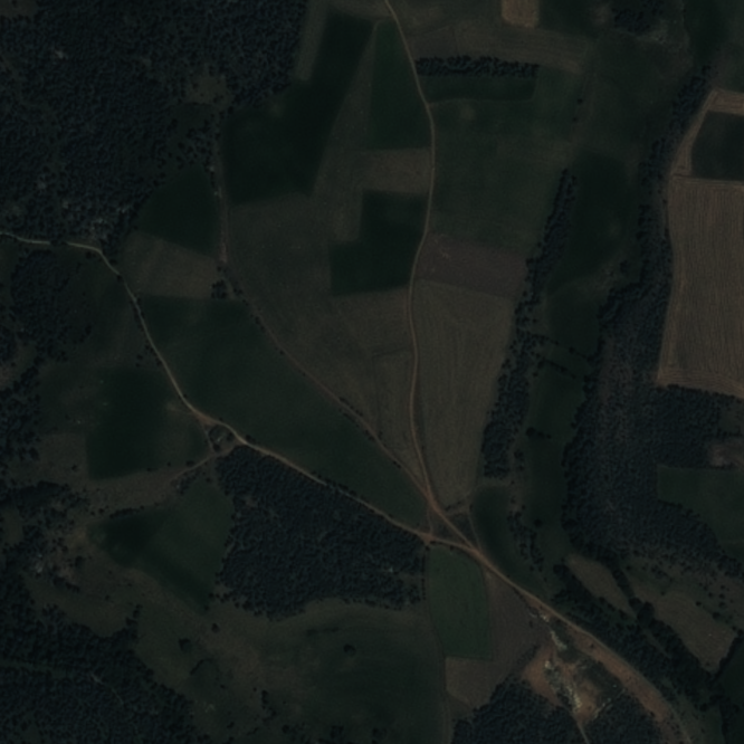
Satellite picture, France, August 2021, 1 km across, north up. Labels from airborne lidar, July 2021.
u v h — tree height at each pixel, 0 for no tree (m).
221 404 0
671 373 0
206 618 0
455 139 0
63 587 14
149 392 0
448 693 0
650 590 0
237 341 0
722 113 0
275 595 13
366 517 7
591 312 0
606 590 0
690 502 0
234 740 7
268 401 0
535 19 0
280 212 0
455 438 0
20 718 12
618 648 7
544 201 0
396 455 0
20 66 0
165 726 8
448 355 0
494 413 9
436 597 0
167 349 0
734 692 0
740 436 6
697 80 7
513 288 0
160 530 0
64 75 11
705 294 0
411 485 0
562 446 0
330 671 0
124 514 10
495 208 0
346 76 0
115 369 0
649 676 6
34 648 7
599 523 13
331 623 0
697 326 0
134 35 9
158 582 0
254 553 11
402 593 12
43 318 18
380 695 0
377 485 0
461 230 0
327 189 0
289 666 0
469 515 0
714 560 9
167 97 15
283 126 0
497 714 13
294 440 0
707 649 0
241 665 0
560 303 0
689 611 0
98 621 0
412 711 0
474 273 0
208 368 0
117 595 0
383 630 0
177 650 0
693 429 14
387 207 0
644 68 0
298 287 0
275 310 0
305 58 0
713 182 0
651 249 7
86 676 9
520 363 10
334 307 0
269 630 0
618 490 8
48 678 12
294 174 0
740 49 0
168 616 0
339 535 14
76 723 17
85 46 17
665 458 10
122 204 12
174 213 0
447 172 0
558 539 0
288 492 12
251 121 0
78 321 0
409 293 0
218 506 0
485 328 0
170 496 0
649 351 6
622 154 0
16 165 14
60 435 0
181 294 0
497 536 0
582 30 0
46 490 15
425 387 0
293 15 14
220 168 0
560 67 0
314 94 0
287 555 12
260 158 0
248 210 0
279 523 7
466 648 0
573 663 0
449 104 0
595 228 0
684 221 0
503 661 0
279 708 0
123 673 22
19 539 0
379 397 0
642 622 14
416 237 0
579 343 0
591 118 0
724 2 0
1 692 10
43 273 15
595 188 0
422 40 0
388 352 0
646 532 7
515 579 0
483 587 0
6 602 15
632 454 5
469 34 0
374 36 0
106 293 0
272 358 0
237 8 15
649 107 0
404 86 0
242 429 0
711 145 0
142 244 0
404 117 0
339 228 0
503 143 0
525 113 0
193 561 0
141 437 0
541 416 0
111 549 0
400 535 9
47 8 13
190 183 0
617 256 0
